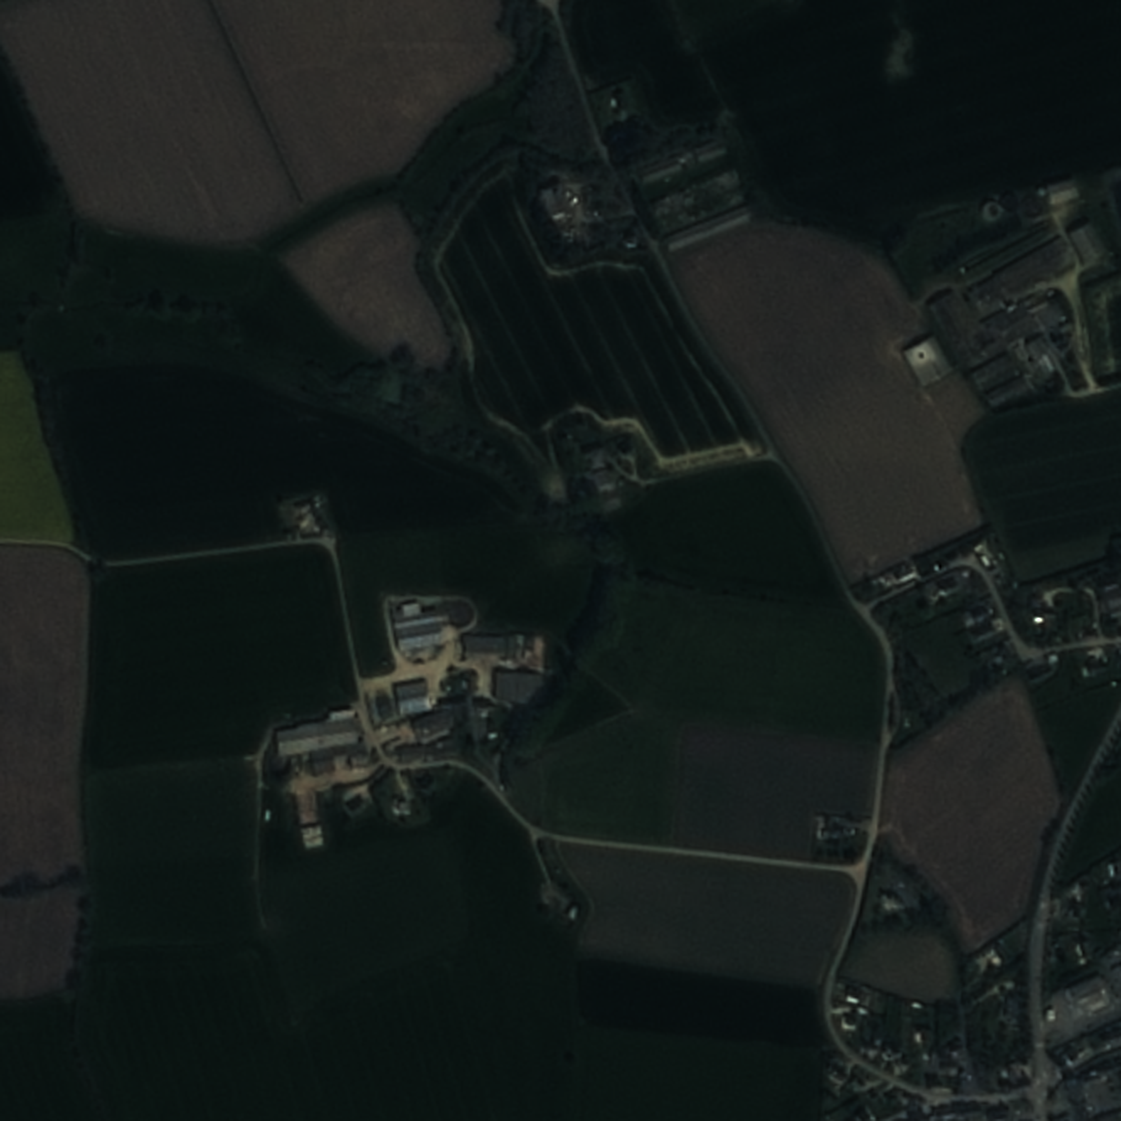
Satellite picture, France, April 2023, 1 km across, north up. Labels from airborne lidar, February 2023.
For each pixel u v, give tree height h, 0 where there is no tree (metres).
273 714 0
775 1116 0
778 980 0
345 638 0
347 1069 0
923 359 0
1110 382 8
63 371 0
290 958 0
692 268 0
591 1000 0
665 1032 0
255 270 0
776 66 0
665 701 0
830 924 0
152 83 0
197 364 0
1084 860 0
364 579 0
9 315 0
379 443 0
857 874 0
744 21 0
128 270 0
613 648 0
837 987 0
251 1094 0
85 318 0
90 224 0
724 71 0
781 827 0
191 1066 0
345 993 0
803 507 0
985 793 0
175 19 0
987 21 0
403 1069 0
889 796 0
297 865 0
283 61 0
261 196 0
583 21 0
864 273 0
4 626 0
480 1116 0
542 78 14
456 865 0
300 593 0
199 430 0
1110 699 0
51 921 0
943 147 0
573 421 8
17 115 0
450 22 0
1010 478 0
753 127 0
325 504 0
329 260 0
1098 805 0
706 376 0
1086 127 0
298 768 0
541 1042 0
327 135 0
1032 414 0
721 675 0
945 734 0
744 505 0
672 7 0
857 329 0
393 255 0
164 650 0
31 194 0
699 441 0
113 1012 0
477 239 0
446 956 0
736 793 0
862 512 0
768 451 0
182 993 0
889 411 0
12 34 0
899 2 0
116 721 0
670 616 0
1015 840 0
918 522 0
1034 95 0
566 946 0
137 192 0
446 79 0
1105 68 0
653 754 0
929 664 0
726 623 0
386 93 0
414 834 0
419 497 0
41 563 0
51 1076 0
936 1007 6
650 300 0
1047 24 0
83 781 0
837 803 0
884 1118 0
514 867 0
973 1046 7
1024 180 0
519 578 0
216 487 0
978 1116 0
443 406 0
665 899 0
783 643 0
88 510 0
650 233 17
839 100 0
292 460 0
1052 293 6
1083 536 0
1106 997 0
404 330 0
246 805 0
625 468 0
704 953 0
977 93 0
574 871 0
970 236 0
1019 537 0
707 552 0
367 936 0
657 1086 0
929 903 11
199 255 0
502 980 0
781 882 0
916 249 0
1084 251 0
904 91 0
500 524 0
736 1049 0
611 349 0
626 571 18
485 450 9
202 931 0
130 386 0
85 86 0
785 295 0
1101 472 0
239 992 0
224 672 0
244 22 0
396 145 0
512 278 0
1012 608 7
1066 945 0
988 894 0
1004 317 0
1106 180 0
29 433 0
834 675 0
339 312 0
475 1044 0
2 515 0
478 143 0
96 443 0
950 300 0
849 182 0
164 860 0
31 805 0
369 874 0
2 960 0
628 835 0
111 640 0
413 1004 0
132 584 0
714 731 0
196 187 0
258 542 0
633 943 0
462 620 0
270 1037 0
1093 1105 0
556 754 0
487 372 0
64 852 0
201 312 6
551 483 0
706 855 0
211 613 0
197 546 0
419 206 0
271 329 0
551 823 0
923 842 0
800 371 0
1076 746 0
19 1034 0
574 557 0
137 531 0
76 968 11
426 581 0
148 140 0
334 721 0
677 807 0
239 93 0
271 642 0
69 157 0
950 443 0
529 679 0
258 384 0
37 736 0
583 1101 0
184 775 0
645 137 16
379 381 8
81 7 0
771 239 0
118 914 0
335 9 0
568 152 7
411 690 0
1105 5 0
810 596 0
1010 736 0
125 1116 0
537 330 0
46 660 0
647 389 0
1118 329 0
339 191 0
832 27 0
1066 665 0
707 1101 0
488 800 0
